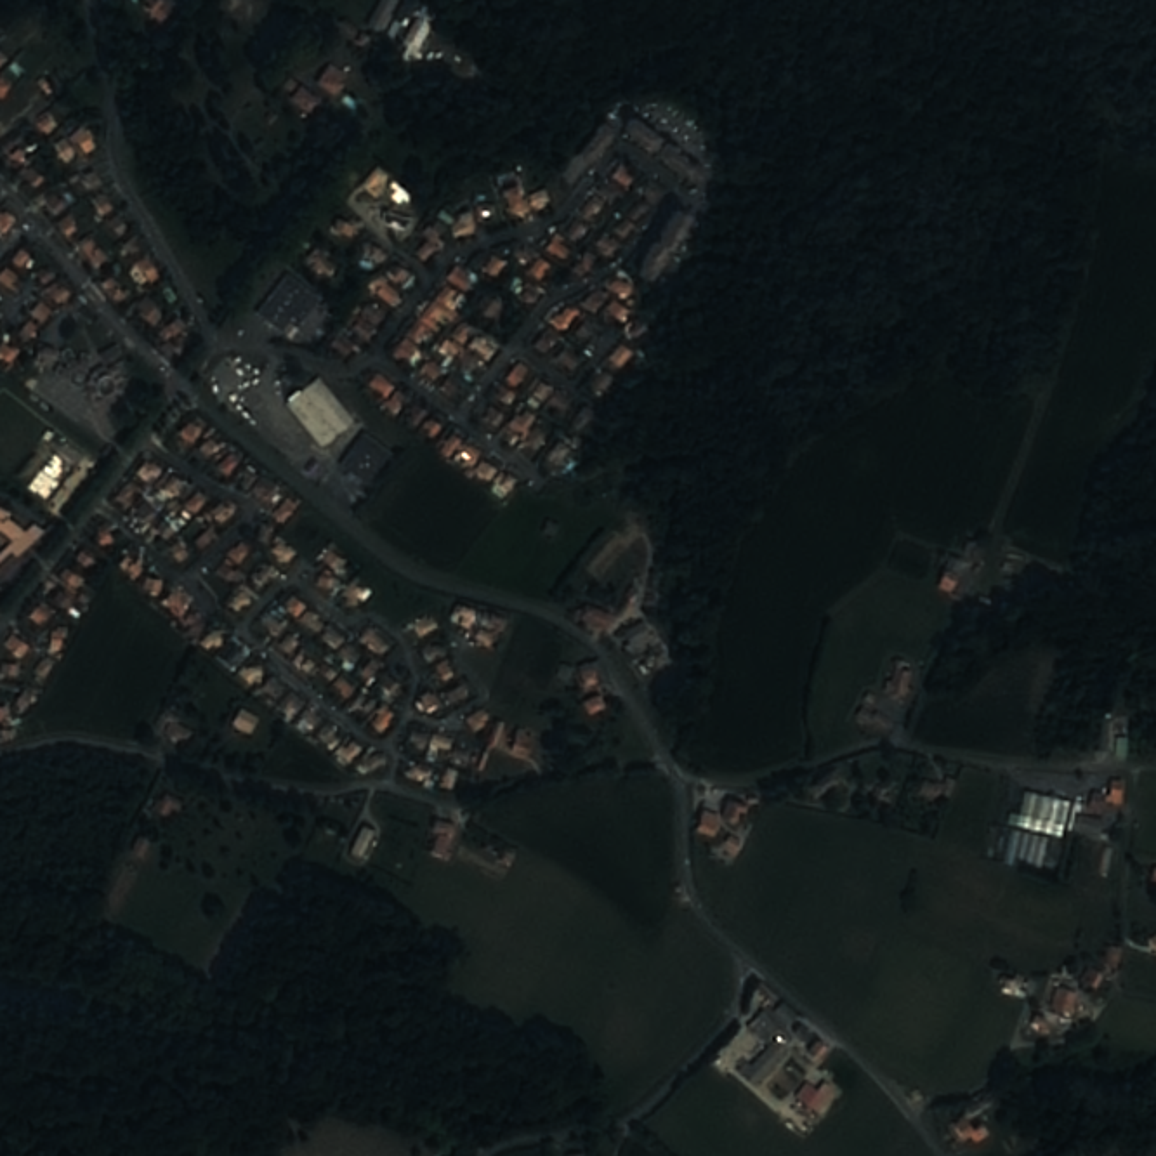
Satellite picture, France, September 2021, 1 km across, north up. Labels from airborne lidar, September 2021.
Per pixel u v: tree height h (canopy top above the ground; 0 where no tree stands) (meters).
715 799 0
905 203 15
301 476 0
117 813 13
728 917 0
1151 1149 18
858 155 17
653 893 0
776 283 22
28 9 21
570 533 0
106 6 11
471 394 0
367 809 0
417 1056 29
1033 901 0
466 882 0
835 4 23
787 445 25
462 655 0
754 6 25
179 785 16
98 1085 8
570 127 25
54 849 9
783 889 0
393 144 0
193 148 26
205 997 22
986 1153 0
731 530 19
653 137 0
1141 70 11
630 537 0
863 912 0
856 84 13
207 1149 28
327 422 0
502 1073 27
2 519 0
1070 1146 17
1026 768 0
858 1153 0
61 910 24
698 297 22
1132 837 0
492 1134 14
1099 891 0
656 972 0
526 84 30
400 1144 0
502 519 0
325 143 19
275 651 0
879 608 0
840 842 0
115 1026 28
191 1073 21
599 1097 18
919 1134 0
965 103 14
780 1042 0
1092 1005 0
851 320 28
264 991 29
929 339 25
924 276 17
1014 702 0
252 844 0
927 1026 0
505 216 7
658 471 29
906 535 0
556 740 13
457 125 29
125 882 0
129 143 11
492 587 0
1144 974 0
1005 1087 19
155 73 27
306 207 28
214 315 6
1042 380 20
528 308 7
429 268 8
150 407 11
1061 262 22
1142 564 21
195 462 6
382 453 0
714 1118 0
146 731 13
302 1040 26
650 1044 0
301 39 34
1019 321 19
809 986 0
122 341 0
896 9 16
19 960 26
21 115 0
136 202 0
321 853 0
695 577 21
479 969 0
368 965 18
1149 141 24
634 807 0
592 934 0
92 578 17
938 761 6
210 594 0
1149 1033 0
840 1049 0
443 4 23
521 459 0
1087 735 10
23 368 8
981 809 0
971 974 0
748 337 28
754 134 25
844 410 21
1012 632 22
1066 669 11
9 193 0
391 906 21
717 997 0
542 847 0
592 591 10
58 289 0
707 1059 7
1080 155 15
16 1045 26
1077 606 28
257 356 0
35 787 14
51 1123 17
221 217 19
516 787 7
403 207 0
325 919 28
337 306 8
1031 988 0
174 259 0
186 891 0
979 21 14
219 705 0
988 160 25
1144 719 8
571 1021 0
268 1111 25
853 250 24
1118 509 13
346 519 0
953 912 0
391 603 0
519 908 0
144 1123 29
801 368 27
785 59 21
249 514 0
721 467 24
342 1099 18
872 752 0
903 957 0
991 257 22
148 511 0
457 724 0
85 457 0
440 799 0
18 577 8
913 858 0
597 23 24
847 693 0
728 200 16
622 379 12
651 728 0
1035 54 26
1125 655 9
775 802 9
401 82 19
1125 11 17
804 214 26
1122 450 20
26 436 0
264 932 26
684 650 18
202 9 26
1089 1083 34
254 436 0
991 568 0
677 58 26
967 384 16
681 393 26
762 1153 0
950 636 10
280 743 7
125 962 25
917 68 21
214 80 25
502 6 7
